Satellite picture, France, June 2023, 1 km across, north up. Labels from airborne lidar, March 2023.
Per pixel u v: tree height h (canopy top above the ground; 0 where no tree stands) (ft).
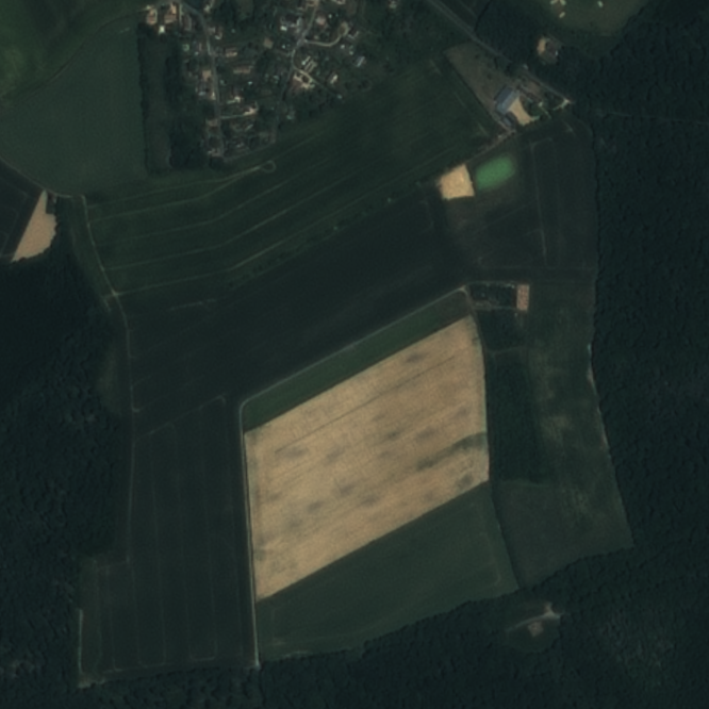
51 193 0
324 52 22
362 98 0
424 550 0
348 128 0
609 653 47
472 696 85
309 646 0
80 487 39
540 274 0
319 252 0
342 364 0
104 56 0
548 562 0
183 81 31
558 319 0
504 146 0
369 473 0
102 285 0
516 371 26
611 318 74
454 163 18
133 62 0
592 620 43
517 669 84
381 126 0
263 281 0
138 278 0
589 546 0
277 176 0
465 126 0
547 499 0
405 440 0
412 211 0
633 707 54
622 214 65
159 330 0
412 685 81
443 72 0
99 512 77
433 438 0
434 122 0
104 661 0
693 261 79
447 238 0
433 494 0
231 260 0
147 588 0
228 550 0
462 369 0
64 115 0
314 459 0
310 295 0
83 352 62
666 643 56
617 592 63
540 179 0
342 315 0
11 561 81
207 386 0
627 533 0
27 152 0
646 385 73
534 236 0
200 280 0
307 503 0
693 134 72
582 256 0
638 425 70
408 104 0
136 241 0
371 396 0
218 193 0
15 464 57
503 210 0
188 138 33
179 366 0
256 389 0
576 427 0
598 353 60
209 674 73
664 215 81
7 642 83
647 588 72
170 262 0
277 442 0
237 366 0
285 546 0
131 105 0
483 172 0
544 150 0
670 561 70
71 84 0
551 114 34
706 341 66
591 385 0
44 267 41
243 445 0
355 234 0
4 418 63
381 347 0
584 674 75
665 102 79
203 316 0
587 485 0
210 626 0
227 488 0
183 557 0
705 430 75
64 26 0
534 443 30
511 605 55
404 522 0
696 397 62
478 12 0
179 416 0
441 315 0
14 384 32
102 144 0
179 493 0
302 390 0
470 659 90
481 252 0
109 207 0
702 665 68
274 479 0
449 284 0
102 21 0
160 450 0
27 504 66
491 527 0
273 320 0
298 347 0
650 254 92
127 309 0
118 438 61
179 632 0
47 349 30
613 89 86
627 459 68
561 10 0
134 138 0
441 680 79
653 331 80
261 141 37
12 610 79
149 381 0
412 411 0
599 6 0
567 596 79
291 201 0
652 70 86
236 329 0
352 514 0
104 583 0
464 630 81
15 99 0
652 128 54
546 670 85
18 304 33
